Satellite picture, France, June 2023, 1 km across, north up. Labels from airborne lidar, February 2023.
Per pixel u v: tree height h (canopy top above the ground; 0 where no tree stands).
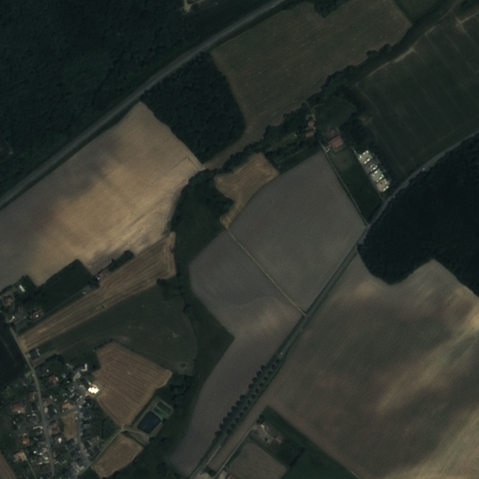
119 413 0
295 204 0
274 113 0
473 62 0
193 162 0
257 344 0
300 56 0
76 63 6
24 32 21
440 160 6
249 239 0
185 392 15
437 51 0
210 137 24
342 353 0
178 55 0
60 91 19
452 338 0
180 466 0
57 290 0
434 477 0
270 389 0
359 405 0
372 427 0
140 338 0
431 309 0
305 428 0
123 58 25
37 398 0
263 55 0
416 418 0
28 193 0
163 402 0
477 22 0
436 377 0
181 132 24
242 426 0
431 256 17
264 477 0
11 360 0
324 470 0
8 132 14
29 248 0
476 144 25
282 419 0
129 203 0
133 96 0
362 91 0
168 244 0
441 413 0
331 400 0
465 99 0
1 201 0
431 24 0
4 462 0
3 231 0
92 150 0
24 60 26
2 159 0
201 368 0
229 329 0
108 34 20
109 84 16
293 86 0
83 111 8
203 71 29
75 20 29
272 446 0
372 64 0
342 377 0
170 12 22
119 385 0
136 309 0
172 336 0
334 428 0
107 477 0
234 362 0
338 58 0
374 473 0
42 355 0
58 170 0
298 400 0
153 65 11
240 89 0
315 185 0
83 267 0
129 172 0
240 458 0
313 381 0
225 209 6
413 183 11
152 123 0
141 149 0
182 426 0
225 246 0
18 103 22
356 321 0
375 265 22
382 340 0
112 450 0
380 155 13
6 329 8
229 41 0
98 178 0
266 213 0
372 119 0
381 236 18
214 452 0
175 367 0
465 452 0
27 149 16
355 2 0
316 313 0
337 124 0
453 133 0
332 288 0
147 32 23
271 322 0
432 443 0
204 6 0
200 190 0
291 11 0
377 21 0
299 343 0
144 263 0
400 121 0
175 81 26
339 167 0
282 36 0
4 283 0
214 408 0
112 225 0
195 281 0
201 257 0
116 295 0
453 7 0
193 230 0
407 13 0
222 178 0
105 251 0
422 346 0
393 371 0
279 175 0
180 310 0
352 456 0
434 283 0
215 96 27
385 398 0
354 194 0
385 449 0
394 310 0
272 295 0
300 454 9
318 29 0
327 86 16
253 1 0
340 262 0
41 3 25
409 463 0
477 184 24
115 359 0
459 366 0
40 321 0
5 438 0
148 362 0
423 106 0
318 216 0
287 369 0
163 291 0
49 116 8
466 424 0
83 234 0
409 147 0
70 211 0
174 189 0
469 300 0
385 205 0
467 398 0
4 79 27
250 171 0
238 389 0
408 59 0
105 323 0
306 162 0
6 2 27
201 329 0
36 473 0
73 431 0
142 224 0
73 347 0
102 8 27
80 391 0
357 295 0
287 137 0
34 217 0
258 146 16
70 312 0
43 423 0
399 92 0
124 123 0
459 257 13
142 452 0
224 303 0
